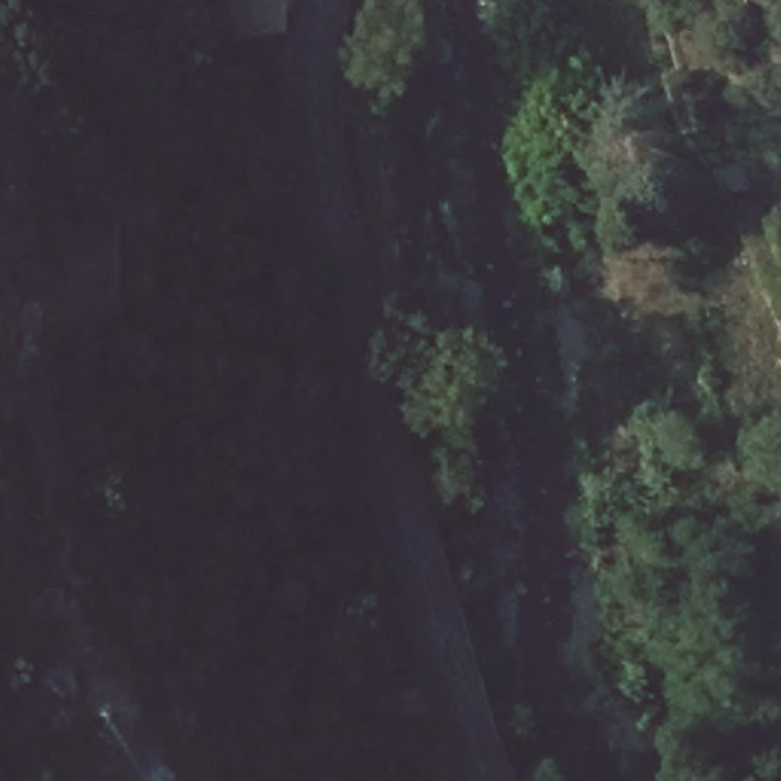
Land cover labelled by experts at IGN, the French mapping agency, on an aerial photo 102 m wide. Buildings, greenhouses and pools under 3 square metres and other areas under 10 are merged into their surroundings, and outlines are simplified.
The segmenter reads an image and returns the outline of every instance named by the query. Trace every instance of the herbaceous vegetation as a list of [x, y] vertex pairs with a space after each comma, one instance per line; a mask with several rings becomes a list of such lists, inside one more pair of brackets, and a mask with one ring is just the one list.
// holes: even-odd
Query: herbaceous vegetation
[[149, 268], [162, 268], [171, 241], [180, 229], [186, 229], [192, 217], [192, 153], [201, 153], [201, 137], [207, 131], [207, 104], [198, 95], [186, 107], [171, 107], [159, 116], [143, 116], [140, 131], [149, 134], [153, 146], [143, 156], [143, 165], [134, 174], [128, 174], [116, 162], [116, 192], [104, 201], [82, 204], [67, 220], [55, 220], [52, 195], [46, 192], [46, 174], [55, 165], [52, 153], [34, 149], [21, 137], [21, 131], [9, 131], [0, 125], [0, 427], [12, 439], [15, 482], [21, 491], [18, 516], [6, 531], [3, 586], [15, 595], [21, 619], [34, 625], [43, 638], [46, 662], [46, 683], [37, 686], [27, 708], [18, 705], [12, 711], [12, 720], [18, 723], [15, 729], [24, 738], [52, 735], [79, 741], [92, 754], [92, 763], [104, 772], [107, 781], [174, 781], [174, 769], [183, 766], [183, 760], [177, 754], [177, 741], [162, 729], [159, 720], [162, 677], [156, 674], [156, 665], [143, 647], [137, 647], [110, 616], [101, 616], [101, 580], [85, 570], [85, 525], [79, 519], [79, 506], [98, 491], [92, 488], [92, 476], [85, 473], [85, 455], [73, 439], [73, 421], [79, 412], [76, 394], [82, 391], [85, 336], [92, 333], [95, 339], [110, 339], [113, 333], [128, 329], [134, 284]]

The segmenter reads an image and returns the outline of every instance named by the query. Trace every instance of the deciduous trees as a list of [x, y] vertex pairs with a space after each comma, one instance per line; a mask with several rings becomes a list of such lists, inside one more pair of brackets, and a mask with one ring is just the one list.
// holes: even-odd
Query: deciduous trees
[[192, 153], [192, 217], [186, 229], [180, 229], [171, 241], [162, 268], [149, 268], [134, 284], [128, 329], [113, 333], [110, 339], [95, 339], [92, 333], [85, 336], [82, 391], [76, 394], [79, 412], [73, 421], [73, 439], [85, 455], [85, 473], [92, 476], [92, 488], [98, 491], [79, 506], [79, 519], [85, 525], [85, 570], [101, 580], [101, 616], [110, 616], [137, 647], [143, 647], [156, 665], [156, 674], [162, 677], [159, 720], [162, 729], [177, 741], [177, 754], [183, 760], [183, 766], [174, 769], [174, 781], [458, 781], [452, 750], [461, 741], [455, 735], [452, 717], [436, 705], [427, 668], [403, 650], [403, 641], [397, 635], [406, 601], [400, 583], [403, 555], [384, 549], [375, 522], [375, 500], [366, 494], [360, 452], [363, 439], [378, 442], [387, 433], [403, 433], [406, 452], [400, 455], [400, 467], [412, 500], [427, 516], [439, 516], [439, 522], [445, 525], [452, 561], [461, 567], [461, 598], [467, 601], [467, 641], [470, 653], [482, 662], [482, 677], [488, 683], [488, 708], [513, 729], [513, 754], [519, 766], [525, 766], [534, 775], [534, 781], [781, 781], [781, 754], [766, 754], [757, 741], [760, 735], [754, 732], [754, 726], [763, 720], [778, 720], [778, 711], [760, 699], [763, 668], [757, 653], [763, 644], [763, 622], [757, 613], [757, 598], [750, 592], [754, 574], [744, 567], [744, 561], [714, 555], [705, 534], [665, 540], [662, 552], [653, 555], [653, 564], [641, 564], [635, 558], [632, 574], [625, 577], [625, 598], [641, 604], [647, 616], [635, 628], [635, 641], [659, 668], [671, 671], [671, 680], [677, 686], [674, 705], [668, 705], [671, 729], [662, 726], [656, 729], [656, 738], [650, 738], [638, 729], [635, 702], [619, 689], [619, 665], [613, 662], [613, 650], [604, 644], [592, 564], [580, 546], [580, 534], [570, 528], [570, 509], [580, 503], [580, 470], [574, 467], [574, 439], [613, 436], [619, 427], [632, 421], [635, 406], [644, 403], [668, 378], [668, 369], [674, 363], [689, 363], [699, 372], [702, 354], [714, 354], [732, 342], [729, 333], [717, 326], [689, 329], [683, 314], [635, 317], [635, 299], [619, 299], [622, 287], [659, 281], [662, 272], [668, 272], [671, 278], [689, 275], [702, 250], [696, 232], [699, 223], [705, 223], [699, 177], [686, 153], [686, 137], [699, 131], [699, 116], [696, 110], [665, 110], [665, 104], [674, 101], [674, 92], [662, 92], [662, 76], [647, 58], [647, 15], [638, 3], [625, 0], [479, 0], [479, 21], [464, 34], [452, 34], [452, 21], [445, 12], [436, 12], [427, 21], [418, 12], [421, 0], [363, 0], [357, 31], [345, 37], [342, 49], [336, 52], [317, 34], [317, 0], [293, 0], [287, 9], [287, 31], [262, 37], [253, 27], [247, 0], [0, 0], [0, 125], [9, 131], [21, 131], [21, 137], [34, 149], [52, 153], [55, 165], [46, 174], [46, 192], [52, 195], [55, 220], [67, 220], [82, 204], [104, 201], [116, 192], [116, 162], [128, 174], [134, 174], [143, 165], [143, 156], [153, 146], [149, 134], [140, 131], [143, 116], [159, 116], [171, 107], [186, 107], [198, 95], [207, 104], [207, 131], [201, 137], [201, 153]]
[[21, 491], [15, 482], [12, 439], [0, 427], [0, 781], [107, 781], [104, 772], [92, 763], [92, 754], [79, 741], [52, 735], [24, 738], [15, 729], [18, 723], [12, 720], [12, 711], [18, 705], [27, 708], [37, 686], [46, 683], [46, 662], [43, 638], [34, 625], [21, 619], [15, 595], [3, 586], [6, 531], [18, 516]]
[[738, 458], [754, 467], [754, 479], [763, 488], [781, 491], [781, 424], [772, 433], [738, 430]]
[[735, 73], [735, 31], [747, 0], [659, 0], [668, 12], [668, 21], [686, 21], [686, 27], [693, 27], [693, 43], [702, 43], [711, 52], [708, 70], [720, 73], [723, 79]]

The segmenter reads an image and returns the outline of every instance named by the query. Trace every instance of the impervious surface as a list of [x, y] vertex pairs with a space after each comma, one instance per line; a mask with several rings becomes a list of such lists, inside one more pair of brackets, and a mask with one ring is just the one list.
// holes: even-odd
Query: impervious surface
[[317, 34], [336, 52], [342, 49], [345, 37], [357, 31], [363, 0], [317, 0]]
[[375, 500], [375, 522], [384, 549], [403, 555], [400, 583], [406, 601], [397, 635], [403, 641], [403, 650], [427, 668], [436, 705], [452, 717], [455, 735], [461, 741], [452, 750], [458, 781], [534, 781], [534, 775], [525, 766], [519, 766], [513, 754], [513, 729], [488, 708], [488, 683], [482, 677], [482, 662], [470, 653], [467, 641], [467, 601], [461, 598], [461, 567], [452, 561], [445, 525], [439, 522], [439, 516], [427, 516], [412, 500], [400, 467], [400, 455], [406, 452], [403, 433], [387, 433], [378, 442], [363, 439], [360, 452], [366, 494]]
[[479, 0], [421, 0], [418, 12], [427, 21], [436, 12], [445, 12], [452, 21], [452, 34], [464, 34], [479, 21]]

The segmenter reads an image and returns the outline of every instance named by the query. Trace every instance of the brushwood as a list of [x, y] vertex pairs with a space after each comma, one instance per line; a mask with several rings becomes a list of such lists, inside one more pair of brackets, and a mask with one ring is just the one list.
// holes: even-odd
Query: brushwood
[[635, 406], [632, 421], [619, 427], [613, 436], [574, 439], [574, 467], [580, 470], [580, 503], [570, 509], [570, 528], [580, 534], [580, 546], [592, 564], [604, 644], [613, 650], [613, 662], [619, 665], [619, 689], [635, 702], [638, 729], [650, 738], [656, 738], [656, 729], [662, 726], [671, 729], [668, 705], [674, 705], [677, 686], [671, 680], [671, 671], [659, 668], [635, 641], [635, 628], [647, 616], [641, 604], [625, 598], [625, 577], [632, 574], [635, 558], [641, 564], [653, 564], [653, 555], [662, 552], [665, 540], [705, 534], [714, 555], [744, 561], [744, 567], [754, 574], [750, 592], [757, 598], [757, 613], [763, 622], [763, 644], [757, 653], [763, 668], [760, 699], [778, 711], [778, 720], [763, 720], [754, 726], [754, 732], [760, 735], [757, 741], [766, 754], [781, 754], [781, 491], [763, 488], [754, 479], [754, 467], [738, 458], [738, 430], [772, 433], [781, 424], [781, 0], [747, 0], [735, 31], [735, 73], [723, 79], [720, 73], [708, 70], [711, 52], [702, 43], [693, 43], [693, 27], [686, 27], [686, 21], [668, 21], [668, 12], [659, 0], [625, 0], [638, 3], [647, 15], [647, 58], [662, 76], [662, 92], [674, 92], [674, 101], [665, 104], [665, 110], [696, 110], [699, 116], [699, 131], [686, 137], [686, 153], [699, 177], [705, 223], [699, 223], [696, 232], [702, 250], [689, 275], [671, 278], [668, 272], [662, 272], [659, 281], [622, 287], [619, 299], [635, 299], [635, 317], [683, 314], [689, 329], [717, 326], [729, 333], [732, 342], [714, 354], [702, 354], [699, 372], [689, 363], [674, 363], [668, 369], [668, 378], [644, 403]]

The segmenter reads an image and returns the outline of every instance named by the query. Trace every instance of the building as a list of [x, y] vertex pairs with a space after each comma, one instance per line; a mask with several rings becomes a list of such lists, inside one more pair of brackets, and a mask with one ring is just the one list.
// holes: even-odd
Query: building
[[287, 9], [293, 0], [247, 0], [253, 27], [262, 37], [287, 31]]

